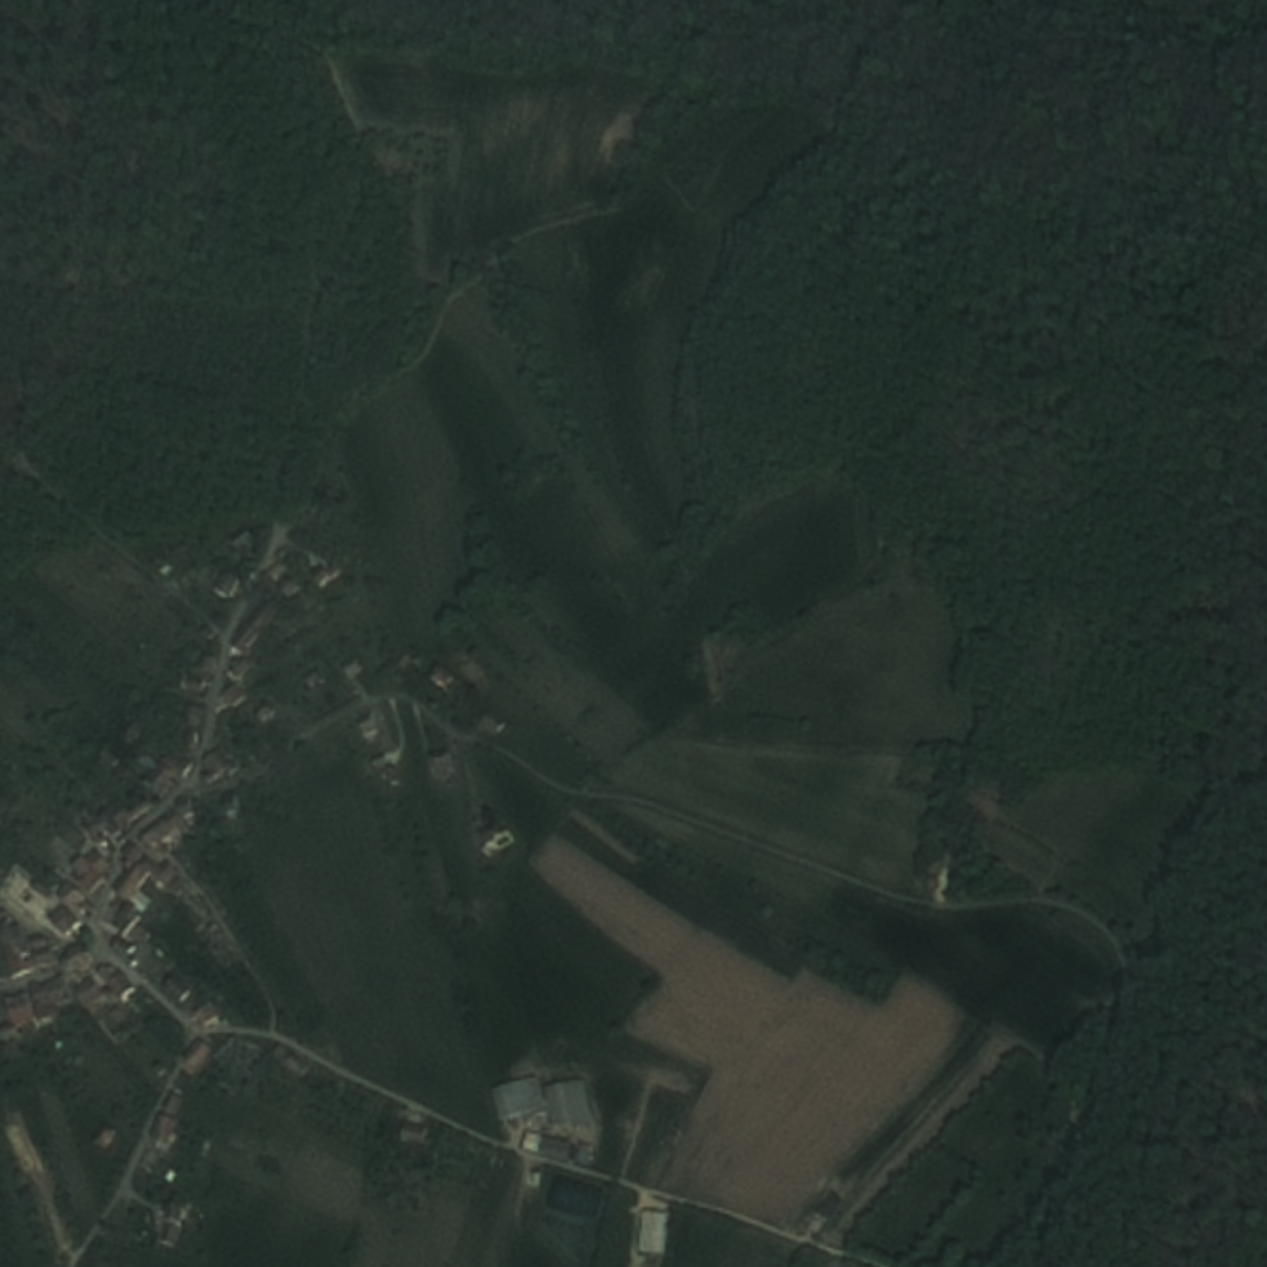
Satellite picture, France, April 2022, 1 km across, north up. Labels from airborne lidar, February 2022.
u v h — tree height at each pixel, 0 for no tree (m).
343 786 0
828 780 0
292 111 19
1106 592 23
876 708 0
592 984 0
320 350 18
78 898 0
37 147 0
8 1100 15
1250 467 27
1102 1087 21
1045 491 22
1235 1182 27
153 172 30
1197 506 27
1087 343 26
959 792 19
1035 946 0
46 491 18
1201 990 25
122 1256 0
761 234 18
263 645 0
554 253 0
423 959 0
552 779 0
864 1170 0
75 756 8
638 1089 0
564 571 0
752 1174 0
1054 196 22
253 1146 0
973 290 25
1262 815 28
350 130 15
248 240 28
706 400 15
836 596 0
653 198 0
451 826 0
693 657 9
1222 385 25
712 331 16
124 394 26
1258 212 20
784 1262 0
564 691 0
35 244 29
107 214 30
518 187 0
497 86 0
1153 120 31
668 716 0
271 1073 6
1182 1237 30
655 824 0
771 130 0
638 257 0
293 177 23
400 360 8
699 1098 0
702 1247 0
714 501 15
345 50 13
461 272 13
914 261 25
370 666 0
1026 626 22
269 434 26
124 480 23
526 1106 0
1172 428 26
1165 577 27
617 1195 9
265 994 0
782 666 0
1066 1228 23
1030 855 0
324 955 0
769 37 23
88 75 29
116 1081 0
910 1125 0
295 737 0
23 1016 0
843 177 19
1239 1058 27
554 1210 0
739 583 0
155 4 26
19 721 0
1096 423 23
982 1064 0
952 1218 10
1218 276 14
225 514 21
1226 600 28
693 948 0
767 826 0
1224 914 26
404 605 0
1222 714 28
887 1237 0
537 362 16
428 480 0
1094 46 21
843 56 24
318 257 23
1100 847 0
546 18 32
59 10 27
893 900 0
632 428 0
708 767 0
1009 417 24
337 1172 0
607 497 0
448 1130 7
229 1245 0
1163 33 19
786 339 23
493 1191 0
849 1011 0
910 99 23
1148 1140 23
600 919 0
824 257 21
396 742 0
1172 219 16
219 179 26
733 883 0
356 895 0
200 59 26
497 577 16
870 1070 0
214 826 6
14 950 0
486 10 20
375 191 14
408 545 0
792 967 0
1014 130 26
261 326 16
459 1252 0
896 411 21
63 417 20
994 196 22
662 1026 0
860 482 16
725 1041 0
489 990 0
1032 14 24
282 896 0
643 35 24
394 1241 0
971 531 21
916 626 0
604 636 0
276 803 6
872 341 23
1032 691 19
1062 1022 0
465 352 0
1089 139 29
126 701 6
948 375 24
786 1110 0
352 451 0
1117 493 21
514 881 0
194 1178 0
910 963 0
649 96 0
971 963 0
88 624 0
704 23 22
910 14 28
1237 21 17
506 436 0
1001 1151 0
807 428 20
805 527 0
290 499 14
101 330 17
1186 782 25
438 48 13
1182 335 23
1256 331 20
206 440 28
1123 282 28
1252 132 27
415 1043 0
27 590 0
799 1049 0
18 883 0
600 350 0
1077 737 19
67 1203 7
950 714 0
